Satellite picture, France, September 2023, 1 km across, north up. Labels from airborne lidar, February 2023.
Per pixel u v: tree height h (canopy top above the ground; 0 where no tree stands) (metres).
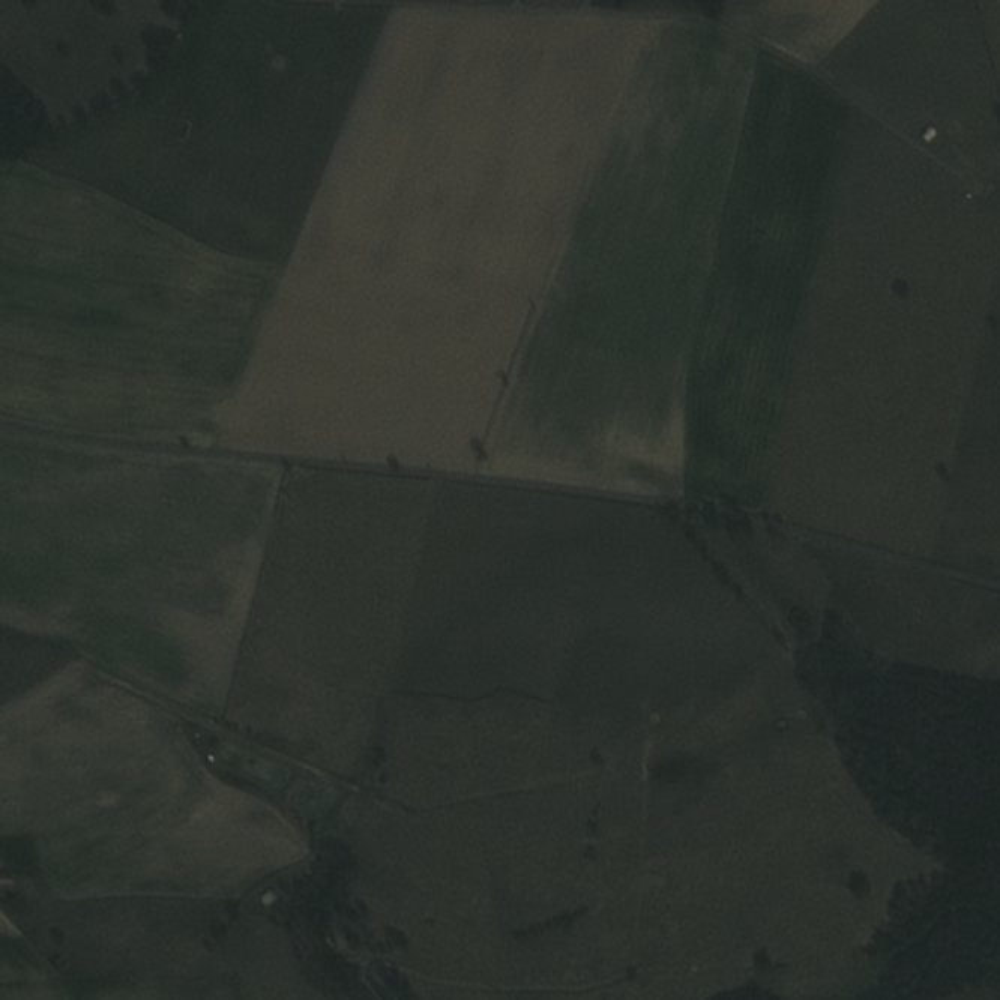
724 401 0
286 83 0
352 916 17
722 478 0
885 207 0
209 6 0
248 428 0
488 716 0
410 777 0
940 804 23
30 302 0
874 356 0
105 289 0
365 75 0
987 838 22
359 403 0
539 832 0
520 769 0
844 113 0
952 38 0
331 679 0
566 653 0
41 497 0
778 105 0
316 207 0
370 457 0
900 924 15
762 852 0
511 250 0
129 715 0
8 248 0
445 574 0
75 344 0
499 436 0
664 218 0
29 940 0
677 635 0
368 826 0
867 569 0
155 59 14
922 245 0
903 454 0
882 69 0
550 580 0
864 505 0
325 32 0
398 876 0
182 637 0
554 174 0
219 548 0
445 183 0
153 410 0
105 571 0
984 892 18
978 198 0
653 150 0
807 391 0
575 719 0
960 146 0
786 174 0
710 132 0
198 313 0
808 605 0
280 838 0
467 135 0
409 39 0
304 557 0
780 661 0
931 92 0
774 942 0
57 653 0
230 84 0
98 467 0
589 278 0
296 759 0
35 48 0
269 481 0
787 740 0
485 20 0
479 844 0
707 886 0
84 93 0
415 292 0
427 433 0
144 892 0
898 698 17
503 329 0
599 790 0
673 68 0
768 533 9
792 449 0
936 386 0
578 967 0
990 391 0
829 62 0
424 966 0
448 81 0
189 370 0
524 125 0
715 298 0
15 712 0
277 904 6
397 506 0
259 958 0
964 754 12
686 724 0
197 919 0
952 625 0
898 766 18
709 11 19
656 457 0
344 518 0
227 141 0
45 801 0
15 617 0
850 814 0
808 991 0
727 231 0
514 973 0
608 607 0
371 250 0
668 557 0
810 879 0
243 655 0
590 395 0
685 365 0
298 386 0
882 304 0
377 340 0
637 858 0
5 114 25
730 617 0
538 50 0
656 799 0
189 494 0
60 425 0
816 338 0
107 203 0
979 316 0
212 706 0
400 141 0
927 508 0
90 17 0
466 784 0
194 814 0
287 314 0
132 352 0
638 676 0
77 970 0
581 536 0
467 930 0
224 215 0
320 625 0
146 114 0
